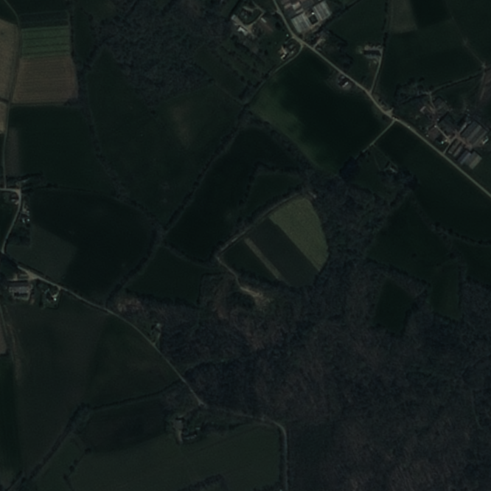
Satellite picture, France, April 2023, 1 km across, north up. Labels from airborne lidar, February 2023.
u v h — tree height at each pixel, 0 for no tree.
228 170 0
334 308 21
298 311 13
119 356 0
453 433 15
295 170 11
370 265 13
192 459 0
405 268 0
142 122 0
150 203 0
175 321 19
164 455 0
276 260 0
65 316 0
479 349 20
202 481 0
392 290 0
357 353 18
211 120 0
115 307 16
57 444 10
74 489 8
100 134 0
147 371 0
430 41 0
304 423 11
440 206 0
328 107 0
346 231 15
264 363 23
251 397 24
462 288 17
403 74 0
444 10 0
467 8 0
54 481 0
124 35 12
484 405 24
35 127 0
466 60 0
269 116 0
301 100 0
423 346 21
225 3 9
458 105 0
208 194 0
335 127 0
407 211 0
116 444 0
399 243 0
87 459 0
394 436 19
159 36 13
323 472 9
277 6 0
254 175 7
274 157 0
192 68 9
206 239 0
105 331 0
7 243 9
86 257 0
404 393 18
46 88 0
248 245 0
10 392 0
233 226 0
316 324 18
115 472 0
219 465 0
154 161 0
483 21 0
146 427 0
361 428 17
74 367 0
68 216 0
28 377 0
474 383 21
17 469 0
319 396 21
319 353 19
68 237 0
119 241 0
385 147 0
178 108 0
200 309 6
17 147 0
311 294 20
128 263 0
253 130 0
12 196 0
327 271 12
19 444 0
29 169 0
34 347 0
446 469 21
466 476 19
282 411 15
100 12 0
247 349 26
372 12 0
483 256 0
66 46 0
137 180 0
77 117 0
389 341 13
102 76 0
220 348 14
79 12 0
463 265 8
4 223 0
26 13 0
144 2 10
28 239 7
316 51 0
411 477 21
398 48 0
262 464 0
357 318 18
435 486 15
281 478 11
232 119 0
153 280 0
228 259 0
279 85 0
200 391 8
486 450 19
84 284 0
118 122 0
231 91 0
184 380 9
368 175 0
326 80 0
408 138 0
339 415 14
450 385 13
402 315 0
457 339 23
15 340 0
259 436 0
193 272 0
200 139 0
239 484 0
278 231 0
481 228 0
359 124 0
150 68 24
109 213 0
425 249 0
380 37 0
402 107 11
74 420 10
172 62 6
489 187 0
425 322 18
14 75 0
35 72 0
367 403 14
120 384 0
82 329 0
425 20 0
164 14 12
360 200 11
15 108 0
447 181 0
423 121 0
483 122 0
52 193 0
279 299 0
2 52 0
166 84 12
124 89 0
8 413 0
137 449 0
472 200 0
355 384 19
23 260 0
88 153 0
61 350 0
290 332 16
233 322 19
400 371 16
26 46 0
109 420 0
